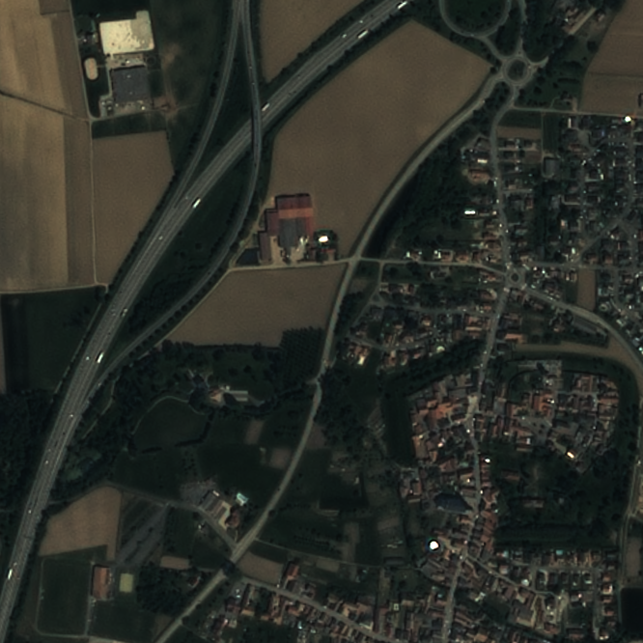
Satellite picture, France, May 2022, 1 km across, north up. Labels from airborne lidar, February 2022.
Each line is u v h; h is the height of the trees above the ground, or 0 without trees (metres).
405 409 0
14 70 0
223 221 0
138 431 0
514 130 0
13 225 0
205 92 0
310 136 0
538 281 0
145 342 7
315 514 0
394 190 0
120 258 0
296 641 0
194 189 0
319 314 0
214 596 0
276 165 0
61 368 0
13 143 0
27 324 0
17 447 8
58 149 0
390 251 0
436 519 0
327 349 0
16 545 0
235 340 0
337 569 0
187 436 0
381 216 0
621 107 0
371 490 0
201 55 0
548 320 0
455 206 6
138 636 0
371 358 0
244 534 0
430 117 0
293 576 0
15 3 0
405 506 11
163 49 0
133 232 0
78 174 0
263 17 0
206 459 0
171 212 0
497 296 0
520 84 0
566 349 0
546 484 0
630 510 0
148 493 0
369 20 0
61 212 0
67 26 0
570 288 0
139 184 0
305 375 0
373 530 0
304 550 0
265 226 0
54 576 0
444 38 0
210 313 0
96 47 0
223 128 0
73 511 0
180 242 0
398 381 0
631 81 0
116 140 0
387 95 0
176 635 0
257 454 0
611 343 0
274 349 7
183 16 0
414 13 0
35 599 0
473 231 0
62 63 0
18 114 0
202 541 0
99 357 0
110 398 0
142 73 0
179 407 0
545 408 0
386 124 0
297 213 0
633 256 0
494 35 0
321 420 6
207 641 0
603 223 0
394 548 0
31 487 0
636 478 0
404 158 0
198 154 0
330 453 0
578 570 0
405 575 0
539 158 0
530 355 0
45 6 0
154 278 0
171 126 0
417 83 0
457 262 0
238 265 0
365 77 0
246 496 0
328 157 0
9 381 0
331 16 0
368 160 0
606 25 0
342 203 0
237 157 0
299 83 0
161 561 0
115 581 0
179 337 0
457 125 0
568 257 0
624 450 0
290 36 0
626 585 0
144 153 0
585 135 0
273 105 0
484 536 0
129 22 0
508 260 0
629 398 0
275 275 0
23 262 0
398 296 8
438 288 0
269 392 0
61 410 0
